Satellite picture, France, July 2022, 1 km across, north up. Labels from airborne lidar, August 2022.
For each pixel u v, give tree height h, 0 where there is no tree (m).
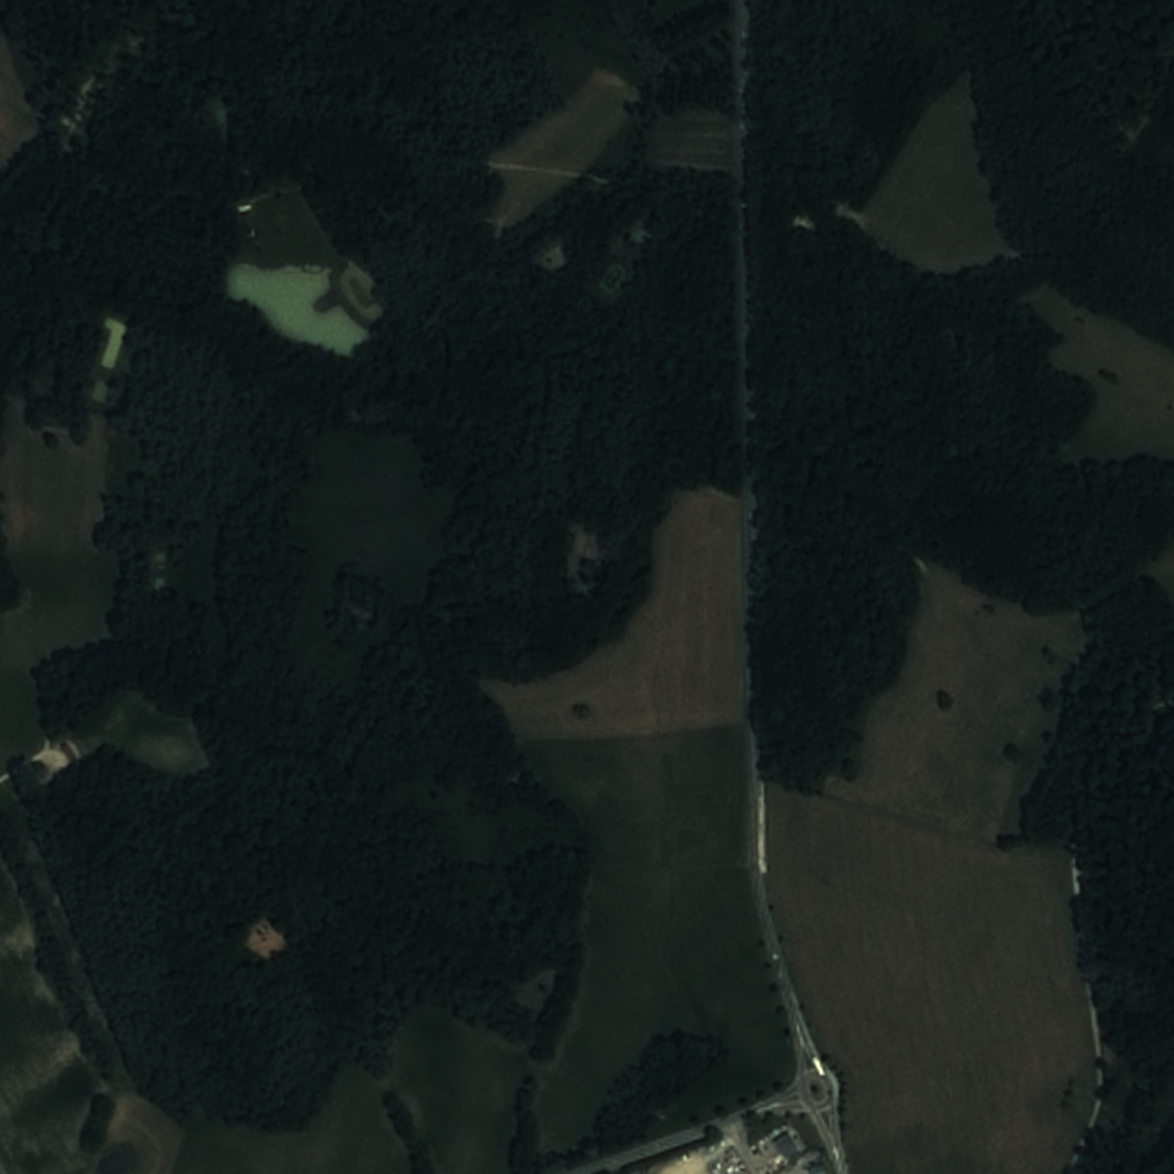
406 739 18
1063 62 27
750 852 0
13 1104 0
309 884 26
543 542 25
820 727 15
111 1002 15
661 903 0
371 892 22
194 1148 0
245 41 18
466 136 20
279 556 25
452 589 20
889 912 0
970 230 0
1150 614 19
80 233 17
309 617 0
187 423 14
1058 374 16
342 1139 0
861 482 21
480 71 22
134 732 0
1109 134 19
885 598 16
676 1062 20
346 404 13
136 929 14
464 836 0
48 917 12
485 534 13
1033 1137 0
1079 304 15
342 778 24
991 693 0
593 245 10
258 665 22
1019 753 18
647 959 0
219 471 11
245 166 22
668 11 0
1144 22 31
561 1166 20
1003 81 14
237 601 21
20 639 0
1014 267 13
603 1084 0
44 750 0
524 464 21
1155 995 22
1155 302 17
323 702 8
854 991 0
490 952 23
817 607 16
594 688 0
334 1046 20
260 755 26
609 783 0
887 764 0
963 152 0
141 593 18
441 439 11
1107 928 20
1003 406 17
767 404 18
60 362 15
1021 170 15
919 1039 0
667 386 25
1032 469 18
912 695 0
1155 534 20
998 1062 0
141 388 14
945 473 19
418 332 12
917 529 16
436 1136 0
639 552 17
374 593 14
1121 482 19
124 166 24
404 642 12
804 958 0
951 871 0
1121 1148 19
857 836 0
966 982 0
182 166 20
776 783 9
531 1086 17
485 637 15
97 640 0
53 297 16
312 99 21
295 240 0
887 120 16
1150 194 15
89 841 9
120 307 18
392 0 21
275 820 29
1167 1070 24
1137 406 0
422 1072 0
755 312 14
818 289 21
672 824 0
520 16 16
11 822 15
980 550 13
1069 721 13
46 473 0
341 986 24
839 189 20
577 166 0
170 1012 16
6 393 18
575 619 24
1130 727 28
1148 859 24
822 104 19
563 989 17
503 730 16
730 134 0
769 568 20
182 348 14
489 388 13
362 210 15
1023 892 0
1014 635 0
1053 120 17
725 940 0
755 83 14
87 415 15
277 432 15
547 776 0
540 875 19
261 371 20
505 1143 0
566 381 12
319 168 21
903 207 0
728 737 0
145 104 19
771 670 20
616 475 25
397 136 21
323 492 0
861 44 25
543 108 19
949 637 0
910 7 14
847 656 20
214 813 24
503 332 10
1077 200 10
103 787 12
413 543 0
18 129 0
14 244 27
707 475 16
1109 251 19
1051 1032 0
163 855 18
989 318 23
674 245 11
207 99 18
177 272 16
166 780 8
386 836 14
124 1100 0
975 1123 0
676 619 0
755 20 8
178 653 20
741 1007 0
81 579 0
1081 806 22
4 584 25
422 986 20
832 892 0
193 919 17
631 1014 0
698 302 10
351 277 0
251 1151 0
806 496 24
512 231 10
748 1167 0
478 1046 0
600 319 11
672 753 0
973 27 16
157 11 25
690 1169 0
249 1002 10
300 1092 19
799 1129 0
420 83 16
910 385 20
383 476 0
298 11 21
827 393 25
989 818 0
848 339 21
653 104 21
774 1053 0
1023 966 0
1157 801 30
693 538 0
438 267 13
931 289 17
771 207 23
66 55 12
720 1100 0
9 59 0
